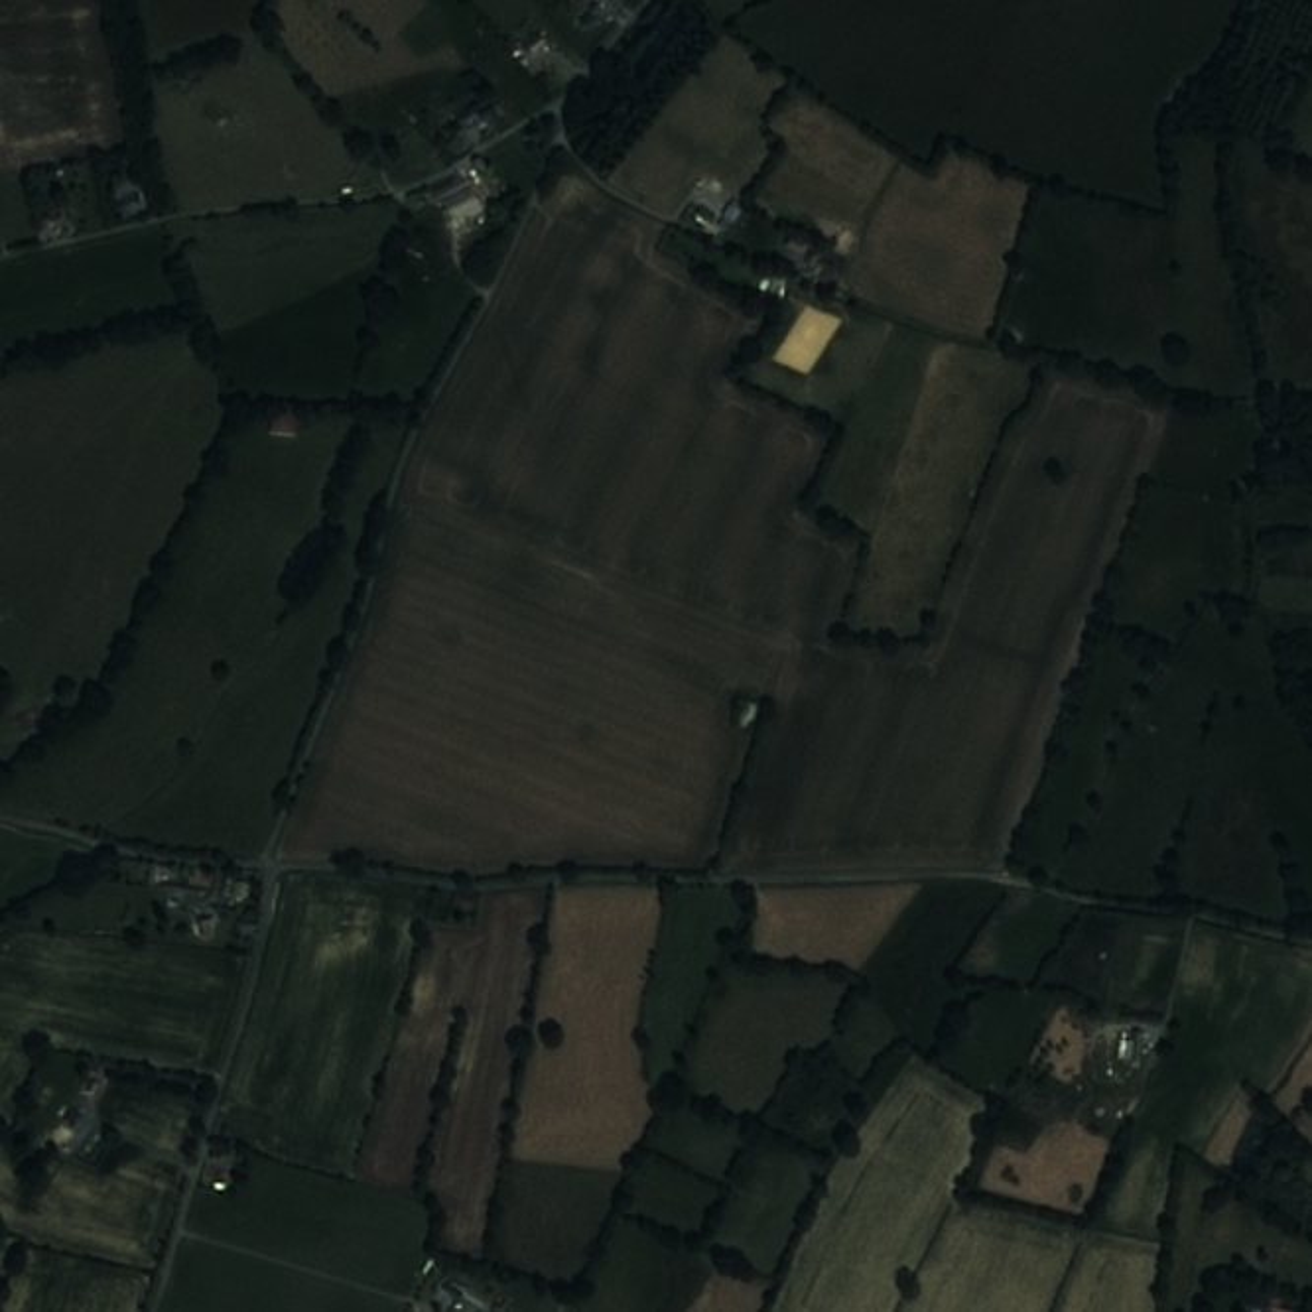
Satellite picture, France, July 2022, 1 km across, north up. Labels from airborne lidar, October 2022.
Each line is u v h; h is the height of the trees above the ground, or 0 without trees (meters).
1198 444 0
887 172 0
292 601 27
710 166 0
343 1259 0
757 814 0
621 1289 0
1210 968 0
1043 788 6
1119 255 0
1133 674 0
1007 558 0
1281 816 0
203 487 8
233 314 0
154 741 0
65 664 0
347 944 0
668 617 0
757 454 0
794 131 0
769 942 0
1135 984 0
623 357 0
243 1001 0
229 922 13
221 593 0
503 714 0
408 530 0
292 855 0
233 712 0
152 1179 0
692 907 0
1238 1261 11
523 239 0
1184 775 0
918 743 0
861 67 0
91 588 0
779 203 0
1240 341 0
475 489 0
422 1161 8
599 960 0
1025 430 0
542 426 0
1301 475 24
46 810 0
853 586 0
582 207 0
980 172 0
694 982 0
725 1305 0
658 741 0
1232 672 0
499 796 0
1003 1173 0
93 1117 0
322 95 14
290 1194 0
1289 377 0
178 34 0
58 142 0
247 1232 0
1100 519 0
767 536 0
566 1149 0
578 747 0
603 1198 0
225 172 0
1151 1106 0
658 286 0
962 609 0
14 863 0
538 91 7
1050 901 0
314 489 0
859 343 0
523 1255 0
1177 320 0
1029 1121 0
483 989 0
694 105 0
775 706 11
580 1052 0
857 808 0
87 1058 6
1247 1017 0
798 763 0
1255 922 8
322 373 0
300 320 0
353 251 0
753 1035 0
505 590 0
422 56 0
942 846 0
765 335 8
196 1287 0
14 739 0
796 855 0
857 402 0
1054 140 0
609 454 0
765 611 0
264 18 17
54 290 0
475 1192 0
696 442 0
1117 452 0
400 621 0
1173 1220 13
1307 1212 7
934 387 0
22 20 0
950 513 0
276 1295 0
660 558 0
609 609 0
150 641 0
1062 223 0
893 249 0
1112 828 0
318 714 7
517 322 0
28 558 0
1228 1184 13
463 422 0
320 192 0
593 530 0
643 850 0
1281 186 0
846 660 0
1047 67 0
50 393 0
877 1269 0
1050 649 0
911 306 0
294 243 0
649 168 0
